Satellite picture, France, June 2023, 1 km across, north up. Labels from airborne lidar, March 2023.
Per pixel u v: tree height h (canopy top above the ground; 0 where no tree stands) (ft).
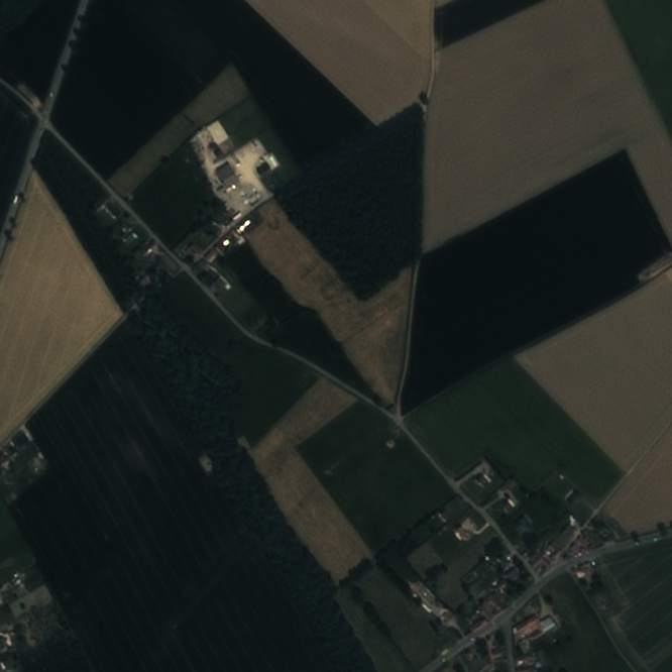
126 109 0
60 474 0
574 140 0
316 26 0
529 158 0
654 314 0
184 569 0
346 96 0
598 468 0
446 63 0
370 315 0
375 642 0
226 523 0
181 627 0
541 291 0
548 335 0
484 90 0
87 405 0
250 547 0
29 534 0
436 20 0
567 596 0
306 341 0
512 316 0
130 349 0
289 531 45
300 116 0
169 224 0
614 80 0
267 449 0
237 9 0
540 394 0
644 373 0
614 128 0
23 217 0
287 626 0
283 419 0
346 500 0
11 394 0
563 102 0
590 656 0
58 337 0
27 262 0
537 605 0
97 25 0
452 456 0
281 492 0
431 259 0
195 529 0
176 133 0
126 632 0
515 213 0
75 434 0
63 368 0
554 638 0
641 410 0
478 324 0
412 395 0
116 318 0
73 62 0
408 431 0
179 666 0
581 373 0
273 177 0
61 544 0
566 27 0
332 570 0
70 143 0
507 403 0
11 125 0
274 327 32
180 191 0
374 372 0
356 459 0
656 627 0
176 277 0
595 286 0
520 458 0
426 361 0
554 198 0
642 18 0
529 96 0
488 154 0
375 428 0
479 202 0
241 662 0
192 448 0
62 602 0
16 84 0
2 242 0
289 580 46
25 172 0
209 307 0
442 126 0
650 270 0
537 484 0
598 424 0
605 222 0
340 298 0
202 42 0
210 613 0
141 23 0
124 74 0
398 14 0
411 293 0
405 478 0
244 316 0
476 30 0
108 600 0
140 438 0
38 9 0
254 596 0
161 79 0
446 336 0
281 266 0
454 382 0
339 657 52
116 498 0
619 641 0
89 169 0
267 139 0
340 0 0
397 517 0
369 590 0
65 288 0
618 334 0
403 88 0
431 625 0
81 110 0
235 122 0
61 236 0
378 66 0
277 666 0
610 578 0
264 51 0
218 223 0
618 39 0
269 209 0
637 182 0
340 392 0
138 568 0
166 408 0
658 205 0
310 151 0
